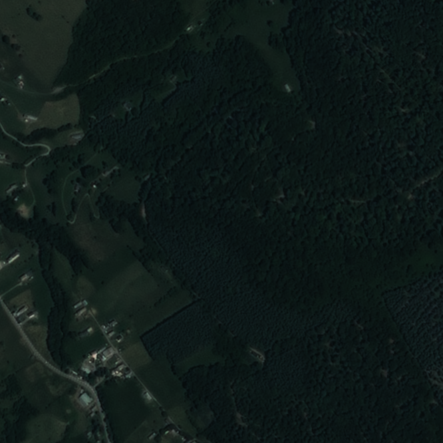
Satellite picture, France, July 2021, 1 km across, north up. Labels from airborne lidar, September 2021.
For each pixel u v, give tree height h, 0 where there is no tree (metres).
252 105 27
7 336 0
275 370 21
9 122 0
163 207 21
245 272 15
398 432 19
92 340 0
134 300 0
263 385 19
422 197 22
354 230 23
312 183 15
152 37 19
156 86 7
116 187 0
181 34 10
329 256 14
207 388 16
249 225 24
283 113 15
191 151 22
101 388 17
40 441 0
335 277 17
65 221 0
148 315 0
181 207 15
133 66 15
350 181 16
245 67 25
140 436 0
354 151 23
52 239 33
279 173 29
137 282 0
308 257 18
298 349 19
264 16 0
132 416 0
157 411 0
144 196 16
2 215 19
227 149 18
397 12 30
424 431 23
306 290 17
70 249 22
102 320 0
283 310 18
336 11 33
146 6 25
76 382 0
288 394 18
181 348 21
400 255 17
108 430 11
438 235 21
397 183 21
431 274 10
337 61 29
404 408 6
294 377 24
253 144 31
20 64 0
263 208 7
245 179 12
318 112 21
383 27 32
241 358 8
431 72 30
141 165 27
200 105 17
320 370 20
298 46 18
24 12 0
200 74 23
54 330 22
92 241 0
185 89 19
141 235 20
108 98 21
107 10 25
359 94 28
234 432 18
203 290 18
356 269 11
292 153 22
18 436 16
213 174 27
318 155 18
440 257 0
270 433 18
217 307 18
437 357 23
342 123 27
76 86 6
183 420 0
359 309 16
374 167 26
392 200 24
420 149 29
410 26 27
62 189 0
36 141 11
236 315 20
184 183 14
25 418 12
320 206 22
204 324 24
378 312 7
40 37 0
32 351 0
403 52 24
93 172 19
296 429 25
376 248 19
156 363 0
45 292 0
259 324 18
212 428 17
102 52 23
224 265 22
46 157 12
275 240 13
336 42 27
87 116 10
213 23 21
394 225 25
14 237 0
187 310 22
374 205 25
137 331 0
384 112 25
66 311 11
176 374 20
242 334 19
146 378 0
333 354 9
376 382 25
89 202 0
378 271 9
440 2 30
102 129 15
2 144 0
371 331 24
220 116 19
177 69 26
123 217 16
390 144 27
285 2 25
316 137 16
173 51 23
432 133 23
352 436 26
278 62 0
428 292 18
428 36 31
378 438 23
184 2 0
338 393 24
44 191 0
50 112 0
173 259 13
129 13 34
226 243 20
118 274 0
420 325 19
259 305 19
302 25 24
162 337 19
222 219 23
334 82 27
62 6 0
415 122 29
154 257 10
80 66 8
